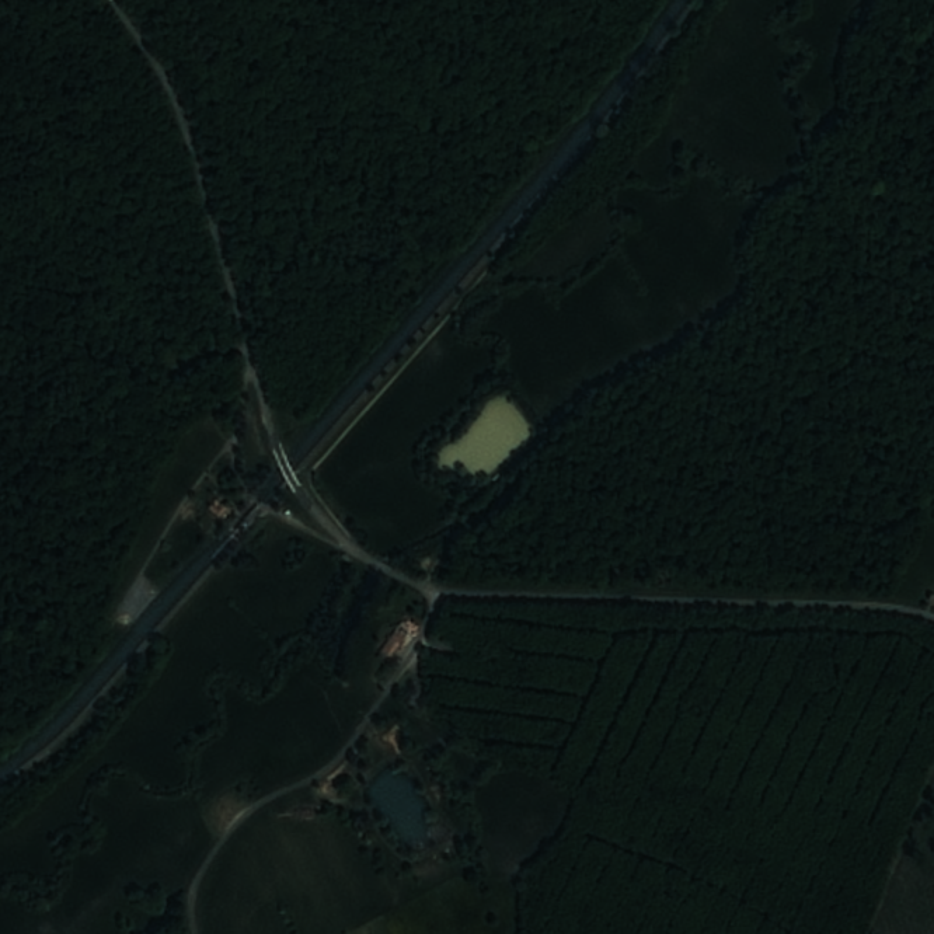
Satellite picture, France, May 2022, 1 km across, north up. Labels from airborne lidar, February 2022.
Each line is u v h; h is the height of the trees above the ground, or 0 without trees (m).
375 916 0
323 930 0
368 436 0
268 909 0
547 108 21
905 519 28
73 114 24
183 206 23
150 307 28
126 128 22
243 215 22
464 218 26
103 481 25
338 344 22
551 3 23
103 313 25
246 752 0
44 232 25
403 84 25
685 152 15
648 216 0
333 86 23
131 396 28
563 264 0
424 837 0
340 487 0
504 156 21
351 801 0
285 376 22
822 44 0
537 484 29
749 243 19
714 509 30
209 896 0
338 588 11
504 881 0
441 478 16
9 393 24
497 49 24
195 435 0
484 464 0
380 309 23
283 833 0
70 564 24
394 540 0
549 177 0
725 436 31
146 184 19
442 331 0
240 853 0
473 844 16
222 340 29
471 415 11
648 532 31
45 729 0
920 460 27
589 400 18
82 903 0
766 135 0
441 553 0
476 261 0
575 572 30
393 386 0
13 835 0
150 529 0
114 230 28
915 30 28
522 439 0
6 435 25
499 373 7
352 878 0
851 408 31
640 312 0
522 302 0
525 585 0
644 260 0
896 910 0
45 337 25
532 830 0
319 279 27
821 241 26
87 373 27
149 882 0
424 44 23
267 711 0
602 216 0
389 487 0
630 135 19
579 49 25
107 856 0
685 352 22
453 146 25
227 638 0
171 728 0
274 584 0
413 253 24
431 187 24
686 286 0
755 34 0
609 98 0
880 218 29
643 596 0
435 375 0
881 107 28
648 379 27
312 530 0
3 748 21
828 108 0
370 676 0
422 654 14
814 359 31
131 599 0
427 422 0
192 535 0
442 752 17
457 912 0
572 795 8
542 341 0
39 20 19
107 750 0
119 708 9
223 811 0
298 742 0
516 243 18
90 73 22
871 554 25
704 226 0
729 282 0
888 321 34
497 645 17
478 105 26
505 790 0
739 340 26
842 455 30
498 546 34
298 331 26
